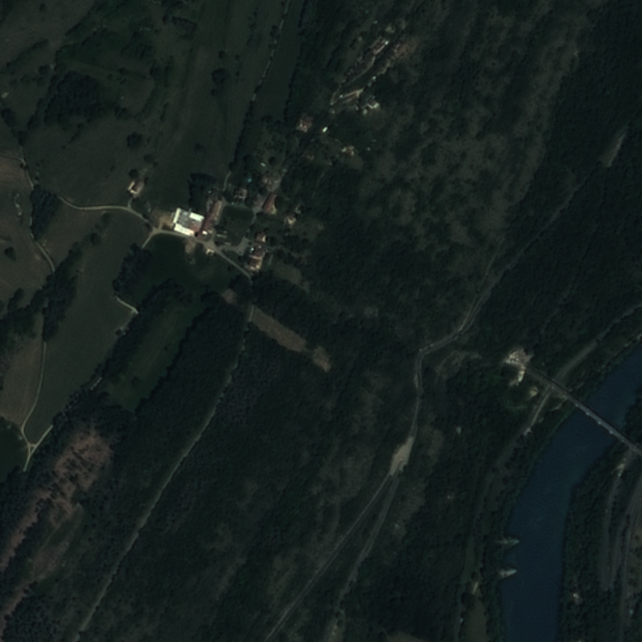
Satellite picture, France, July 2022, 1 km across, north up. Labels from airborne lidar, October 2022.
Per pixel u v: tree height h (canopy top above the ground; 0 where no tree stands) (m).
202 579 9
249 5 0
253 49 0
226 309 15
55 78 12
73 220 0
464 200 8
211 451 6
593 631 13
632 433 21
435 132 7
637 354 0
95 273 0
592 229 8
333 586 7
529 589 0
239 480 8
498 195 0
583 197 14
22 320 14
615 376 0
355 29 9
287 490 11
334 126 9
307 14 16
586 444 0
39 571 0
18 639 15
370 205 8
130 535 14
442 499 11
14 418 0
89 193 0
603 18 7
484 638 0
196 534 9
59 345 0
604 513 10
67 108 9
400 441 6
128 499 7
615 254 10
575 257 8
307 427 7
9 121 20
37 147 0
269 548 14
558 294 10
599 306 11
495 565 20
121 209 0
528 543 0
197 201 14
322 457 8
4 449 0
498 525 13
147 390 0
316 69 11
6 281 0
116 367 17
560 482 0
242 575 12
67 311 12
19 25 0
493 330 11
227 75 14
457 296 10
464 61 13
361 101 15
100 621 8
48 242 0
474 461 17
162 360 0
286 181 7
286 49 0
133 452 12
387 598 11
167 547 7
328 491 7
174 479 9
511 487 23
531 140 8
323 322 12
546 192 9
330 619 9
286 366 7
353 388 12
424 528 9
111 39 8
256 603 9
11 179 0
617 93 9
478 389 13
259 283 20
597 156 13
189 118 0
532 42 13
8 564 0
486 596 13
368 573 12
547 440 8
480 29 9
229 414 14
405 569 12
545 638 0
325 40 9
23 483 22
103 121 0
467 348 9
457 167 6
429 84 9
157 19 0
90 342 0
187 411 9
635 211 10
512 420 13
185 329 0
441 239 7
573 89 12
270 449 8
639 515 0
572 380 7
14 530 20
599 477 9
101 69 0
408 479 9
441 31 5
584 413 0
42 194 15
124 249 0
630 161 12
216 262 0
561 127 14
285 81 0
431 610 11
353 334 11
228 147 0
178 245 0
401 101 11
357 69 9
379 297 8
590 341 12
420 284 6
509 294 11
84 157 0
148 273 32
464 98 10
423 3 7
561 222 9
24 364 0
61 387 0
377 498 0
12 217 0
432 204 8
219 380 8
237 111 0
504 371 7
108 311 0
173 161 0
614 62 11
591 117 15
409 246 11
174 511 11
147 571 7
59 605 10
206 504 10
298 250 7
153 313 17
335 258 9
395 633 18
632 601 12
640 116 16
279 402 11
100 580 11
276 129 7
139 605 9
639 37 20
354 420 6
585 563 7
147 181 12
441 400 7
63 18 0
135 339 11
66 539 0
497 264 7
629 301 13
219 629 9
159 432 8
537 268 7
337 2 12
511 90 10
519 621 0
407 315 8
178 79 0
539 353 12
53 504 19
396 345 10
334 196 11
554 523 0
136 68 0
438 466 8
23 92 0
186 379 15
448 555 12
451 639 8
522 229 9
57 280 11
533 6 10
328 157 11
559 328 12
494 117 7
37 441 0
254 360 16
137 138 12
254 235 8
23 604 16
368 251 15
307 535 11
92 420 20
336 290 15
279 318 9
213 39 0
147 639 8
